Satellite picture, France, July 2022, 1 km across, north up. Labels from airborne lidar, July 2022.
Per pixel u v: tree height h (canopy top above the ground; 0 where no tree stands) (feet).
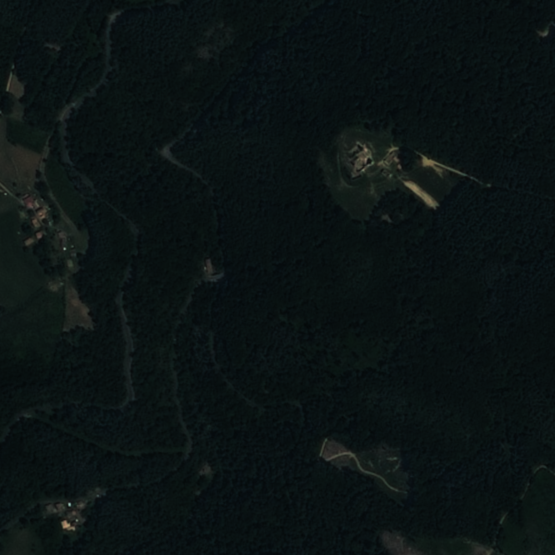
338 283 69
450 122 76
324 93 86
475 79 74
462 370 56
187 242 68
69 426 72
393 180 0
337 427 94
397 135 64
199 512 90
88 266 81
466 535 89
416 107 78
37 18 70
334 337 82
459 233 72
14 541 0
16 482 77
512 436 60
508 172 60
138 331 29
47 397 63
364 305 77
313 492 93
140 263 83
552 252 64
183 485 59
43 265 57
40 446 78
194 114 54
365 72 82
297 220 91
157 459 79
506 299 80
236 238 65
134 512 64
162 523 81
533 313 81
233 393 44
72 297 0
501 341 81
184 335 75
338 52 86
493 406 33
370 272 25
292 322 80
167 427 42
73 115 45
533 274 83
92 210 60
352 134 0
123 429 120
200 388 85
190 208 53
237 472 81
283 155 62
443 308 95
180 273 52
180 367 58
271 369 64
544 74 97
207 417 94
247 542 68
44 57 64
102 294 62
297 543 73
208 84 83
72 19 74
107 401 71
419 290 90
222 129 47
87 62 31
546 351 70
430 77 90
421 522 98
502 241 78
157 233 84
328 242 82
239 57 65
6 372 28
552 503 0
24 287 0
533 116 78
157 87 61
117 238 79
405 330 69
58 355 30
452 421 68
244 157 42
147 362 60
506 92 90
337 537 85
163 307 34
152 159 39
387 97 88
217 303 69
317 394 19
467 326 92
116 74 61
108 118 82
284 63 97
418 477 70
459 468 102
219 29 31
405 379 91
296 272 85
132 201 108
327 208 67
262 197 58
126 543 87
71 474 100
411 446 90
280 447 75
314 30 94
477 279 68
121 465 93
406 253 24
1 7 96
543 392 47
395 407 68
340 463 0
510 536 0
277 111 71
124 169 91
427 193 0
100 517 99
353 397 85
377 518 83
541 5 83
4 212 0
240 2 67
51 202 63
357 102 103
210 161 72
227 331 86
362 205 0
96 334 33
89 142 99
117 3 37
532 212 63
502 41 94
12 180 0
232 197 52
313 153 80
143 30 93
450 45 81
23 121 39
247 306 89
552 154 50
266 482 76
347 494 82
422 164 0
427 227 81
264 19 53
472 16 82
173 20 107
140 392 62
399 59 81
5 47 23
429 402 67
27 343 0
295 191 77
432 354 93
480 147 65
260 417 55
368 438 95
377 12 92
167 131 69
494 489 58
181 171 49
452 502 83
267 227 90
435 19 90
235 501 64
